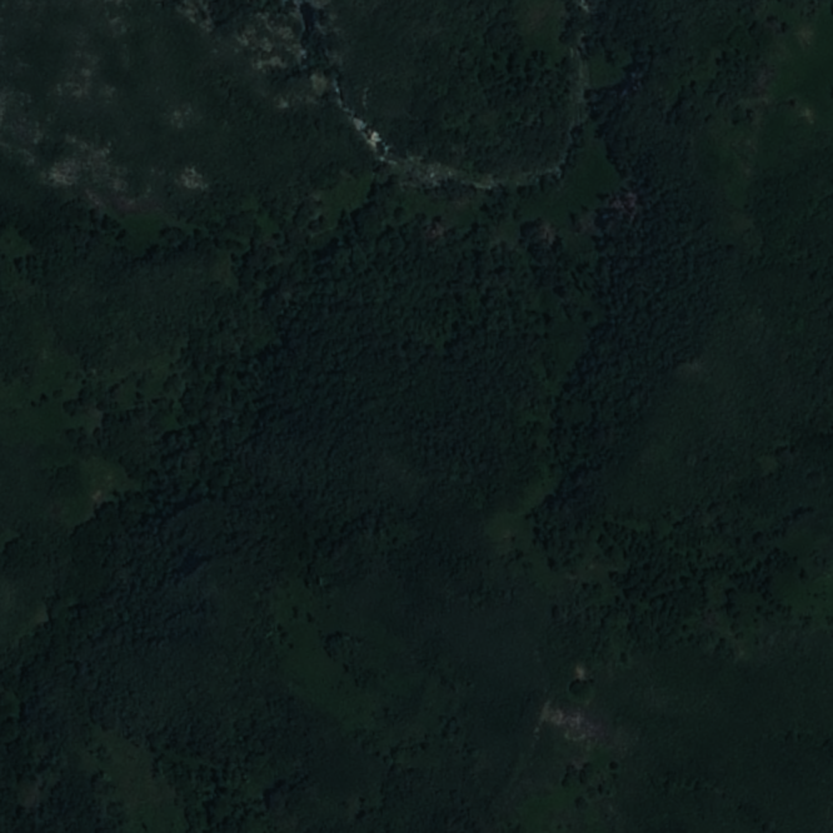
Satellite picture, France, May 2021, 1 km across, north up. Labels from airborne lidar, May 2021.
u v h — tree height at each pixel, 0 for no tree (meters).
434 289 17
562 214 0
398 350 19
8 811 18
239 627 11
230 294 12
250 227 20
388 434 10
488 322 17
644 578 19
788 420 9
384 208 14
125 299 13
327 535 10
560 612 19
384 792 8
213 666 9
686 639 10
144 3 6
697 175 6
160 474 21
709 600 19
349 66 7
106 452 8
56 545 8
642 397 12
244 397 20
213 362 25
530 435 9
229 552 18
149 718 11
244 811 22
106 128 6
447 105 12
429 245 14
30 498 6
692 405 8
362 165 8
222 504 18
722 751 6
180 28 6
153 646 12
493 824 7
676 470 6
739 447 9
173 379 15
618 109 23
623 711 6
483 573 7
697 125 14
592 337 12
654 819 8
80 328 8
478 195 16
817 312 15
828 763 7
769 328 9
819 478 18
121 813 19
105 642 20
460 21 13
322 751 7
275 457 8
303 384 20
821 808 6
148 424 19
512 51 17
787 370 6
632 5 15
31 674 25
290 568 14
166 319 14
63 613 22
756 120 16
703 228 12
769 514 9
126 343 10
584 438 10
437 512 6
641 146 11
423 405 14
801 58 0
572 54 9
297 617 14
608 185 0
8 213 17
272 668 8
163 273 8
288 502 15
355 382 12
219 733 12
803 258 9
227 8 21
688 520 11
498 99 19
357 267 19
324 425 19
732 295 6
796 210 7
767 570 15
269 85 7
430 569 6
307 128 12
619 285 20
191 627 9
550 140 17
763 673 6
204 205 10
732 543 7
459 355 15
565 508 19
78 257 14
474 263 19
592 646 6
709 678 6
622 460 8
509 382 15
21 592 5
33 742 17
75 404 15
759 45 10
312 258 22
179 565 8
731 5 9
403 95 8
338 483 12
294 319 11
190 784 7
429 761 0
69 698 14
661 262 19
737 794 8
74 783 7
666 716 6
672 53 14
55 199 16
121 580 26
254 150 7
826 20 0
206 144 5
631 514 14
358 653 10
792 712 7
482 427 11
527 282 25
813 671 6
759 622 8
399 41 9
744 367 8
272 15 9
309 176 9
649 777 7
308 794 6
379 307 17
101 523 21
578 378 8
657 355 12
